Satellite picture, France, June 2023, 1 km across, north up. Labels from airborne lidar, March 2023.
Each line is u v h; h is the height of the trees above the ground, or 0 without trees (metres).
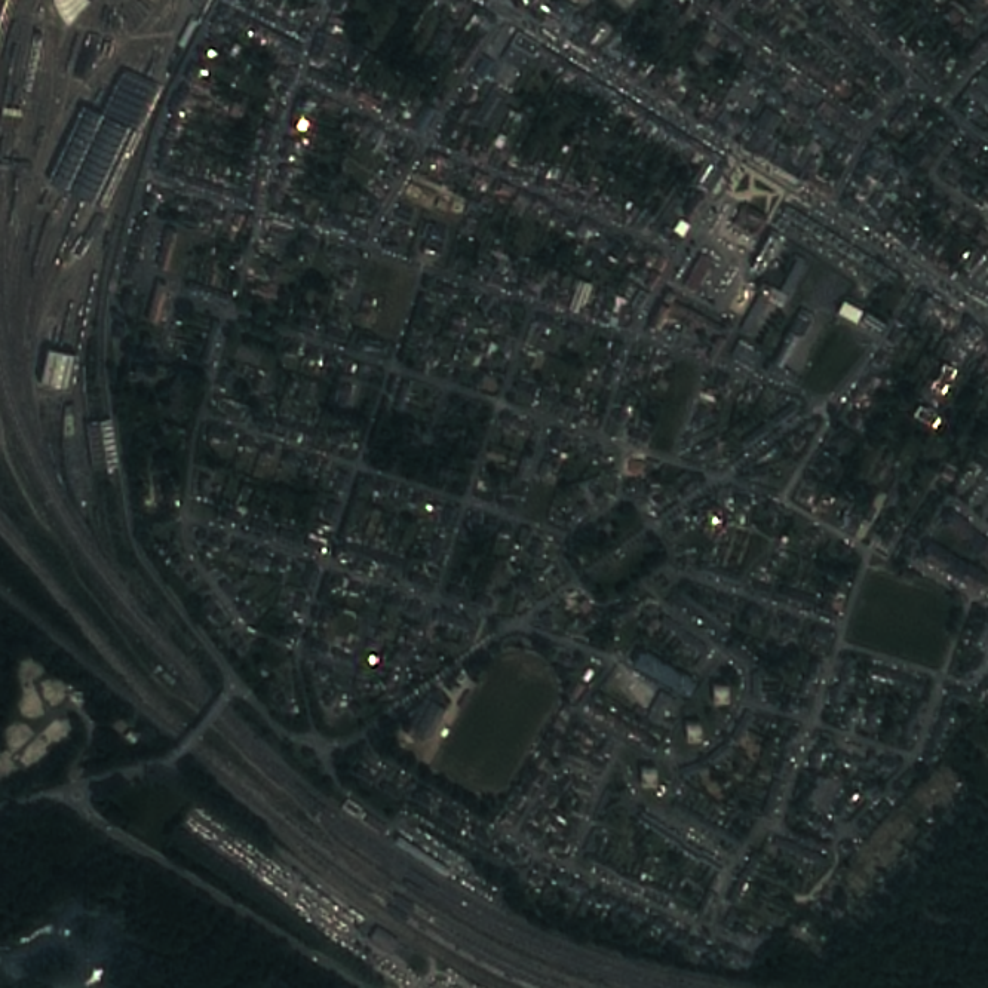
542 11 0
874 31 0
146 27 0
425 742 0
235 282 9
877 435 12
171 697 0
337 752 7
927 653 0
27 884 17
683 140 0
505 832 0
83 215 0
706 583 0
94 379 9
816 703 0
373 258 0
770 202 0
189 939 10
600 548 11
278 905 18
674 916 0
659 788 0
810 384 0
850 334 0
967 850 12
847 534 0
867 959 15
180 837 19
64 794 0
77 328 0
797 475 0
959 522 0
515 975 0
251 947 12
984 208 0
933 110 7
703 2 0
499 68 0
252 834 20
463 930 0
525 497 0
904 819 0
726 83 0
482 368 6
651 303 0
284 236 0
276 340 13
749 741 0
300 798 0
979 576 0
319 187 6
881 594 0
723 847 6
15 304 0
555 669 11
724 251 0
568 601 0
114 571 0
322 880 0
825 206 0
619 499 0
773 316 7
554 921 8
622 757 0
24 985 7
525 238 0
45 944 0
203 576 0
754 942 0
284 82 0
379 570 0
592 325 0
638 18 6
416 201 0
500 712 0
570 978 0
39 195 0
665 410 0
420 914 0
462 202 0
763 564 0
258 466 0
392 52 10
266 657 0
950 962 16
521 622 0
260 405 17
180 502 0
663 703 0
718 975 8
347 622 0
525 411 0
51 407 0
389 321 0
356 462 0
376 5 11
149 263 0
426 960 0
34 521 0
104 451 0
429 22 0
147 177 0
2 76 0
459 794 15
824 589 6
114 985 13
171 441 0
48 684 0
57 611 8
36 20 0
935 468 10
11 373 0
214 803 21
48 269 0
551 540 0
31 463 0
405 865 0
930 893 15
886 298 0
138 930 19
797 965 6
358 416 15
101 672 0
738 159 0
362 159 0
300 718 10
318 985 10
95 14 0
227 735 0
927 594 0
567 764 0
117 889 18
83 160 0
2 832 12
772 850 10
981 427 13
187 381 9
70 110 0
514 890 19
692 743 0
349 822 0
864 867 0
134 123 0
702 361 0
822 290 0
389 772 0
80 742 10
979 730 0
